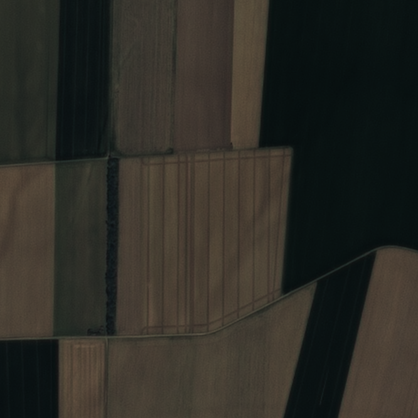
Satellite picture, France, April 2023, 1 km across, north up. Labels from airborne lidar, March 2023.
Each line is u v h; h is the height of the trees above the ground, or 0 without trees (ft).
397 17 0
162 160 0
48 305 0
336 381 0
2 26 0
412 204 0
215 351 0
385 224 0
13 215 0
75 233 0
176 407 0
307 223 0
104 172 0
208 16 0
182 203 0
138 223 0
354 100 0
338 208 0
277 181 0
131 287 0
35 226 0
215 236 0
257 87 0
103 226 0
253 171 0
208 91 0
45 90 0
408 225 0
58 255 0
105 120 0
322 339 0
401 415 0
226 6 0
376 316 0
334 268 0
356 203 0
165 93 0
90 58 0
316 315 0
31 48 0
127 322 0
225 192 0
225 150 0
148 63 0
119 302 0
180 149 0
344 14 0
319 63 0
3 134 0
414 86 0
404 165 0
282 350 0
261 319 0
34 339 0
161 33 0
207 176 0
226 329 0
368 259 0
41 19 0
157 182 0
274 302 0
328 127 0
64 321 0
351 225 0
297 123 0
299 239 0
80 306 0
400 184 0
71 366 0
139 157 0
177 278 0
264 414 0
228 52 0
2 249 0
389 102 0
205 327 0
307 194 0
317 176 0
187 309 0
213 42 0
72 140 0
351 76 0
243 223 0
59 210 0
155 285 0
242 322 0
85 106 0
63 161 0
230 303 0
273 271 0
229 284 0
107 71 0
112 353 0
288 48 0
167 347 0
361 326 0
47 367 0
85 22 0
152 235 0
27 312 0
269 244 0
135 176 0
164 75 0
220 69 0
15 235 0
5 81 0
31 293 0
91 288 0
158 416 0
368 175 0
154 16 0
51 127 0
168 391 0
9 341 0
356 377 0
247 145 0
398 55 0
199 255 0
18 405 0
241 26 0
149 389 0
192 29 0
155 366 0
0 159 0
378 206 0
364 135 0
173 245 0
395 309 0
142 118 0
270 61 0
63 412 0
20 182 0
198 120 0
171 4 0
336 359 0
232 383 0
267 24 0
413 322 0
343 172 0
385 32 0
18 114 0
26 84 0
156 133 0
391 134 0
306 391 0
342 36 0
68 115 0
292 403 0
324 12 0
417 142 0
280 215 0
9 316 0
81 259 0
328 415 0
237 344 0
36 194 0
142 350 0
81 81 0
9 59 0
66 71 0
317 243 0
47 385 0
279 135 0
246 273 0
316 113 0
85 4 0
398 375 0
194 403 0
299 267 0
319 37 0
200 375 0
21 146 0
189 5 0
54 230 0
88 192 0
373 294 0
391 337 0
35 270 0
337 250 0
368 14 0
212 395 0
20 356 0
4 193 0
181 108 0
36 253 0
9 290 0
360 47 0
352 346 0
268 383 0
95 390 0
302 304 0
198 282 0
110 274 38
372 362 0
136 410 0
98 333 0
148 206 0
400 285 0
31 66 0
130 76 0
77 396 0
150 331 0
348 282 0
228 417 0
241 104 0
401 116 0
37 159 0
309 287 0
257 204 0
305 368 0
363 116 0
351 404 0
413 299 0
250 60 0
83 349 0
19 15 0
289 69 0
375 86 0
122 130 0
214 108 0
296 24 0
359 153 0
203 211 0
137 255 0
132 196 0
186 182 0
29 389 0
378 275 0
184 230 0
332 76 0
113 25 0
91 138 0
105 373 0
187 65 0
